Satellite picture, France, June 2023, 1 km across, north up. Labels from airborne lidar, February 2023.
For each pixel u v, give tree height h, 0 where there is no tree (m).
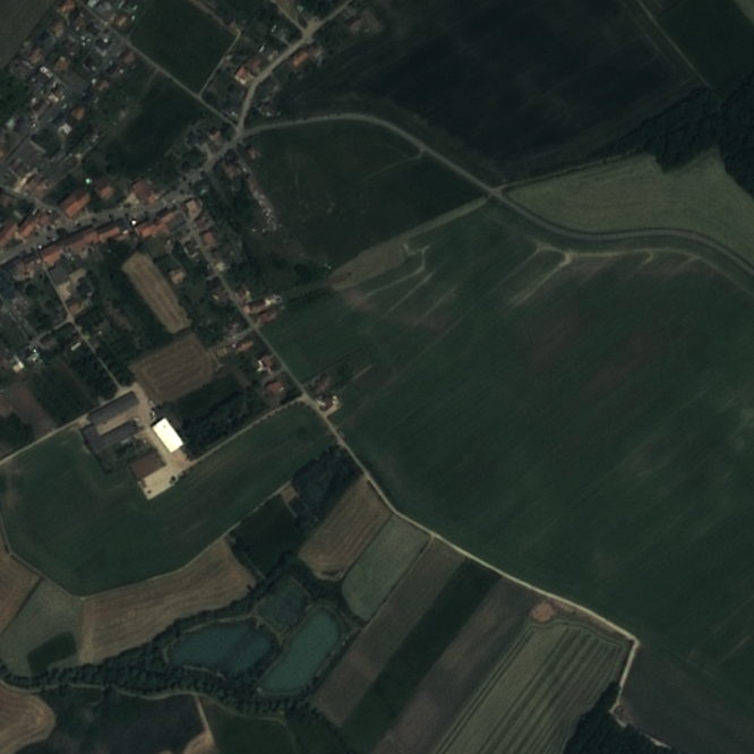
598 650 0
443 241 0
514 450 0
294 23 0
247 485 0
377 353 0
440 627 0
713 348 0
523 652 0
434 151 0
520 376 0
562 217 0
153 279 0
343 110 0
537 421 0
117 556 0
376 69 0
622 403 0
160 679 8
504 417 0
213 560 0
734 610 0
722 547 0
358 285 0
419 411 0
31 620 0
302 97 0
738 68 0
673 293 0
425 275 0
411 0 0
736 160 23
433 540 0
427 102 0
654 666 0
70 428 0
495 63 0
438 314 0
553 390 0
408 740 0
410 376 0
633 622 0
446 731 0
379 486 0
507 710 0
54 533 0
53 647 0
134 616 0
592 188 0
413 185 0
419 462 0
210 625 0
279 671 0
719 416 0
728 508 0
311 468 17
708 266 0
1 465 0
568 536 0
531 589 0
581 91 0
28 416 0
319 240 0
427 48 0
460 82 0
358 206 0
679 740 0
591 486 0
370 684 0
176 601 0
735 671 0
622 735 22
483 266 0
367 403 0
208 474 0
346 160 0
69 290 0
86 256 0
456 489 0
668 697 0
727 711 0
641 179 0
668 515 0
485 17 0
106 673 7
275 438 0
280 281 0
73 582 0
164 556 0
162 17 0
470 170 0
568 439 0
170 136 0
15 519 0
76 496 0
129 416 0
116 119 0
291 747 0
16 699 0
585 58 0
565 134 0
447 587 0
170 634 12
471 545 0
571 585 0
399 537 0
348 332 0
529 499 0
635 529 0
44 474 0
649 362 0
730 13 0
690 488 0
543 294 0
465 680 0
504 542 0
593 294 0
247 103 0
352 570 0
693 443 0
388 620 0
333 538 0
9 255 0
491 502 0
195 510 0
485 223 0
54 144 0
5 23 0
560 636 0
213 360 0
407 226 0
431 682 0
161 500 0
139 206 0
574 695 0
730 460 0
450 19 0
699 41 0
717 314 0
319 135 0
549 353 0
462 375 0
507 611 0
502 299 0
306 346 0
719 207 0
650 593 0
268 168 0
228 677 12
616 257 0
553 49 0
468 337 0
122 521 0
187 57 0
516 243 0
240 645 0
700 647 0
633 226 0
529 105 0
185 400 0
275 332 0
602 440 0
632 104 0
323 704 0
